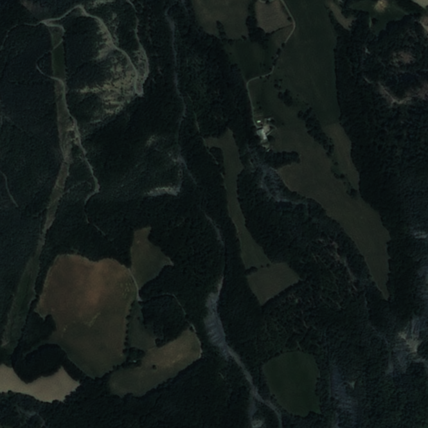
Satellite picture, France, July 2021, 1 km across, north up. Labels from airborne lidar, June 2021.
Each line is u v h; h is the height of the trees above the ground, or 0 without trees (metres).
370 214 0
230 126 14
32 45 10
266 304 11
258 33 21
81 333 0
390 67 16
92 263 0
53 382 0
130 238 20
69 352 0
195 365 21
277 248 19
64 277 0
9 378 0
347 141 0
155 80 16
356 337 21
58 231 11
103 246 13
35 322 10
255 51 0
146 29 20
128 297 0
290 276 0
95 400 22
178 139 7
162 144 10
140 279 0
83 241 10
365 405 13
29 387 0
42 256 9
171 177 12
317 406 0
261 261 0
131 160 11
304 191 0
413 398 10
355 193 15
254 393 0
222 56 25
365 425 11
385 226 12
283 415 8
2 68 9
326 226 12
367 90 12
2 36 11
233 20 0
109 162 14
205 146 9
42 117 12
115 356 0
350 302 15
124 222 21
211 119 13
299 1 0
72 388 0
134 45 6
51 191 8
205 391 24
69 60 18
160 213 20
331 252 22
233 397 26
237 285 20
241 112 19
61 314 0
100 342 0
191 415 24
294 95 0
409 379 8
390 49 16
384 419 12
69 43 15
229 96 20
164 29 6
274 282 0
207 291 16
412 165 10
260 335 19
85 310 0
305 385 0
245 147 10
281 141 0
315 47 0
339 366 8
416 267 10
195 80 14
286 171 0
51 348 20
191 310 23
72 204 6
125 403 20
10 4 16
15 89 11
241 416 24
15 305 0
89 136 12
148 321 15
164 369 0
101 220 22
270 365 0
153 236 20
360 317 9
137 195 7
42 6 8
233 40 8
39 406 12
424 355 8
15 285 10
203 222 20
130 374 0
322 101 0
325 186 0
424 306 12
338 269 16
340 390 0
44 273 9
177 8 15
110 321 0
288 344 12
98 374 0
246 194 22
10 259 6
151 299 15
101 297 0
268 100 0
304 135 0
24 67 16
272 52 0
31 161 9
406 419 11
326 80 0
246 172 14
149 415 19
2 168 11
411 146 10
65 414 19
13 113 7
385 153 13
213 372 19
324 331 8
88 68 12
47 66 18
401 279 24
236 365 14
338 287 9
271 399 8
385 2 0
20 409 9
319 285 13
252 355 12
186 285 18
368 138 20
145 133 11
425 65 16
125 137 18
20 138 11
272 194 10
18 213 8
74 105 10
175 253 7
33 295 0
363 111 16
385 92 0
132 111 15
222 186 14
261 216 19
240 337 19
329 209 0
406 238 15
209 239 23
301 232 11
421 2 0
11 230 12
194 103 9
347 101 24
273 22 0
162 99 14
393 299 14
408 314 21
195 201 13
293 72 0
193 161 21
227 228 20
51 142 9
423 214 9
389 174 16
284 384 0
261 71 0
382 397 8
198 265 7
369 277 6
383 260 0
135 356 14
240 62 0
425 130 15
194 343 0
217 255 15
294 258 13
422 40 19
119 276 0
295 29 0
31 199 8
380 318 16
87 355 0
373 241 0
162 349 0
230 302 19
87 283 0
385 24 0
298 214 11
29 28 8
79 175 6
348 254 6
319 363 14
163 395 17
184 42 8
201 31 21
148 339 0
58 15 8
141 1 13
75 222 18
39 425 14
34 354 14
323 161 0
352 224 0
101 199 9
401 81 14
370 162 20
